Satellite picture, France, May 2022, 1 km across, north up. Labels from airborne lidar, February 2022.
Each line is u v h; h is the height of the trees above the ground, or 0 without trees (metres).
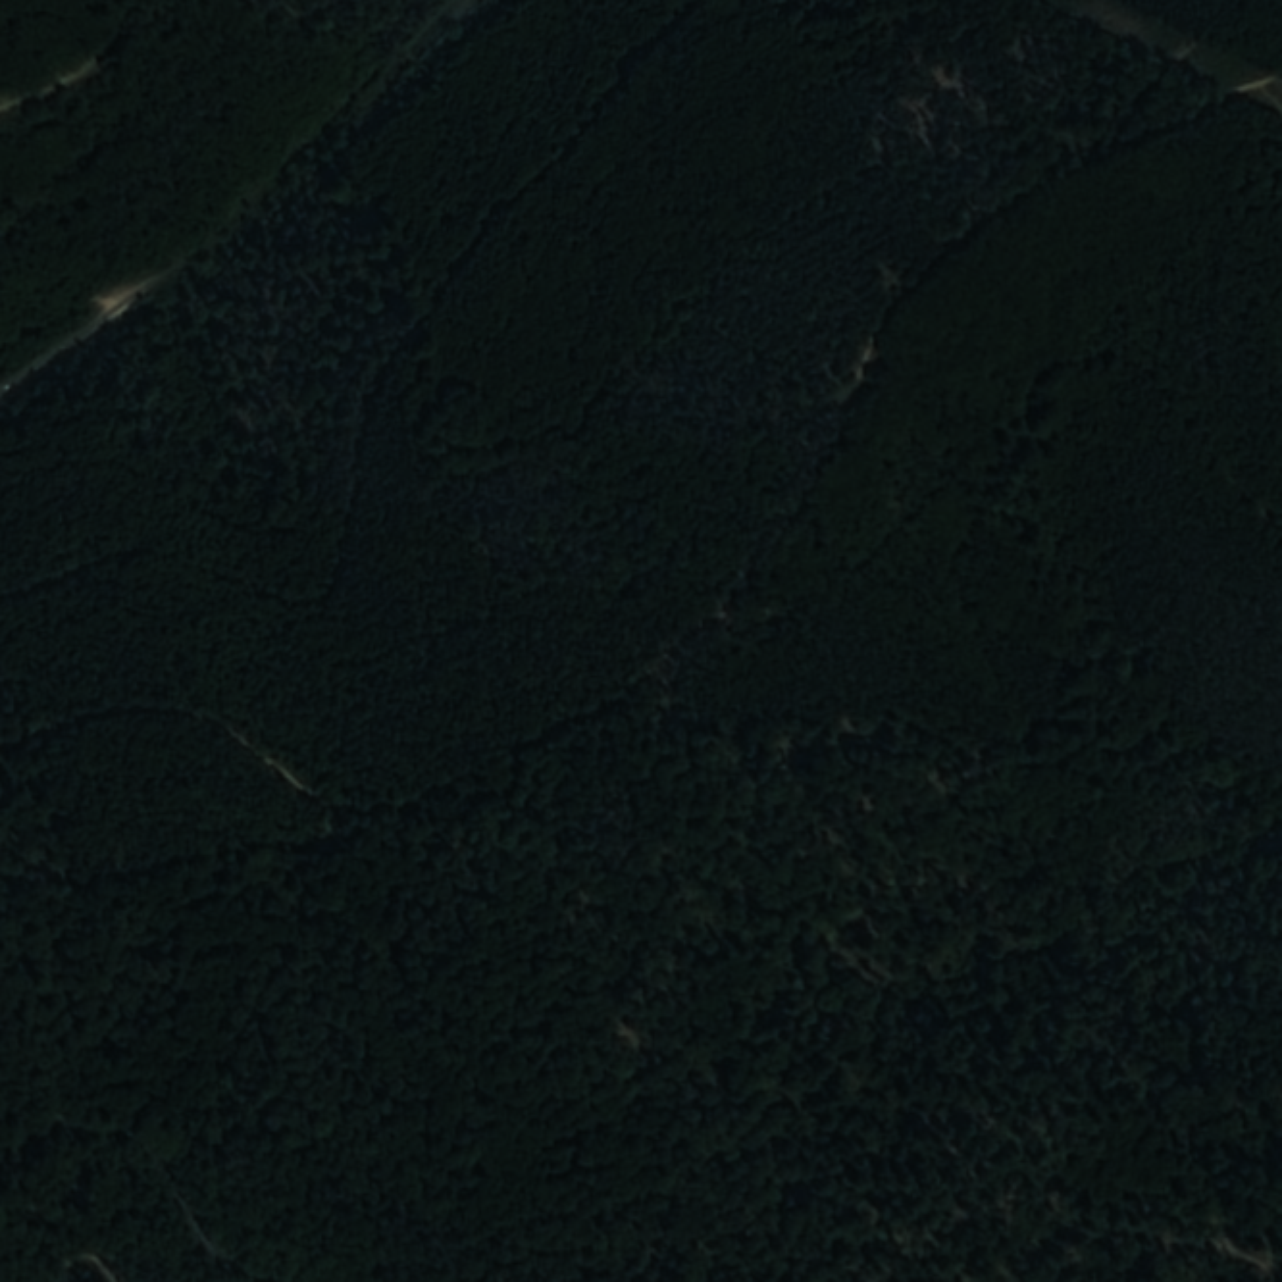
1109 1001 33
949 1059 38
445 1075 29
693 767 29
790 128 15
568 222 16
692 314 11
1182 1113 35
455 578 16
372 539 19
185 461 18
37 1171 29
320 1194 29
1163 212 20
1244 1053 32
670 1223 32
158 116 21
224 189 18
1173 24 17
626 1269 32
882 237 9
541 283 17
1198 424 25
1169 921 34
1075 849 36
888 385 18
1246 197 24
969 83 10
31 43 11
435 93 14
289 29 18
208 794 21
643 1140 31
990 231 20
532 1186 32
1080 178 22
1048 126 9
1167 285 23
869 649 18
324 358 31
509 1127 30
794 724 31
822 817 40
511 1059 31
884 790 36
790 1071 40
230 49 21
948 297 20
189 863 34
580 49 15
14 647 20
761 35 22
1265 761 24
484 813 32
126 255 21
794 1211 34
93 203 22
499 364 19
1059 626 21
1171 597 22
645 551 27
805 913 38
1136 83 19
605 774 29
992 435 37
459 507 19
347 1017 33
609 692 19
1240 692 22
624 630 18
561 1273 34
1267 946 32
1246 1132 36
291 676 21
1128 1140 10
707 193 21
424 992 32
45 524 17
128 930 35
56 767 20
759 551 32
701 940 35
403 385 15
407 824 33
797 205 10
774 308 13
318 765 18
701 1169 29
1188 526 22
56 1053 39
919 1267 10
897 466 21
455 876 31
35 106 11
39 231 16
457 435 29
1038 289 20
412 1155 31
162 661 18
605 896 34
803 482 26
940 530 19
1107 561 18
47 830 31
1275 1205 30
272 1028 32
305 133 20
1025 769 34
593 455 25
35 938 36
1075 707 33
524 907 28
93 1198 35
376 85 10
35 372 0
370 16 33
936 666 20
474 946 29
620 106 18
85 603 18
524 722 20
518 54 13
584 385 18
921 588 15
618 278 17
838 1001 40
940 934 37
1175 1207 11
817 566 19
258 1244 28
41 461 16
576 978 33
